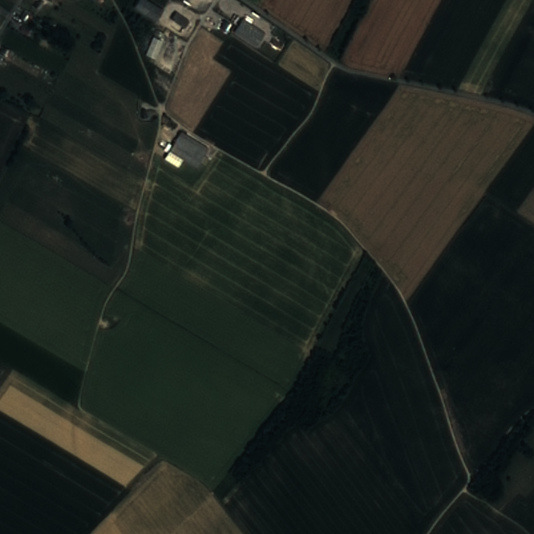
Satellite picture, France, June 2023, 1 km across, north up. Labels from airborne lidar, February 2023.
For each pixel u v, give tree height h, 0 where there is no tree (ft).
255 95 0
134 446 0
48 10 0
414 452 0
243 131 0
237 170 0
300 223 0
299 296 0
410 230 0
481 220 0
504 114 0
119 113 0
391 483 0
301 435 0
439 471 0
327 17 0
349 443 0
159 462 0
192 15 0
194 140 0
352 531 0
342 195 0
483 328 0
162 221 0
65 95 0
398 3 0
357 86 0
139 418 0
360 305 26
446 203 0
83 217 0
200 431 0
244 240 0
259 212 0
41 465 0
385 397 0
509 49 0
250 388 0
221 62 0
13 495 0
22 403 0
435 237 0
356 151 0
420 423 0
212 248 0
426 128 0
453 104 0
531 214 0
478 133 0
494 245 0
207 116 0
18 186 0
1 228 0
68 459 0
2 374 0
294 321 0
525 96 0
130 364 0
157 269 0
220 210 0
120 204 0
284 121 0
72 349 0
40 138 0
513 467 0
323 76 0
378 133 0
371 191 0
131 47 0
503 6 0
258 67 0
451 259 0
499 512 0
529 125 0
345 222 0
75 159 0
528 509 0
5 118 0
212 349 0
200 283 0
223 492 0
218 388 0
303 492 0
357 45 0
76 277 0
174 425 0
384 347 0
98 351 0
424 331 0
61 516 0
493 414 0
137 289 0
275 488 0
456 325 0
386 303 0
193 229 0
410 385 0
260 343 0
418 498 0
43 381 0
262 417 0
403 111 0
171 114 0
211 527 0
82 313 0
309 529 0
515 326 0
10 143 0
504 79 0
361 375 0
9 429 0
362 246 0
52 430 0
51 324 0
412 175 0
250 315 0
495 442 0
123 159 0
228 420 0
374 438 0
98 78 0
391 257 0
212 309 0
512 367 0
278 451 0
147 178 0
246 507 0
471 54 0
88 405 0
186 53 0
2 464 0
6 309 0
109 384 0
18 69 0
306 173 0
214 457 0
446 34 0
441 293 0
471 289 0
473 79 0
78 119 0
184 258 0
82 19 0
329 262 0
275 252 0
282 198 0
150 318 0
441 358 0
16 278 0
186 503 0
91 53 0
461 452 0
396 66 0
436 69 0
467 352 0
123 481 0
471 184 0
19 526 0
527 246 0
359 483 0
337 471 0
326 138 0
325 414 23
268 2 0
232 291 0
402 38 0
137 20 55
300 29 0
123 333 0
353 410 0
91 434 0
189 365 0
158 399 0
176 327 0
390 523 0
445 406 0
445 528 0
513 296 0
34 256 0
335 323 0
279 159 0
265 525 0
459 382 0
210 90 0
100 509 0
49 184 0
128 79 0
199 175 0
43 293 0
